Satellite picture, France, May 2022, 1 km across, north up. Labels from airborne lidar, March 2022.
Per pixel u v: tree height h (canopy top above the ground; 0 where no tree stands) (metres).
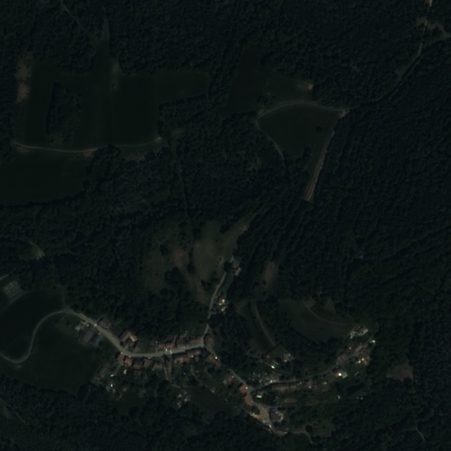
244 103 0
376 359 23
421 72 16
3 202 0
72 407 26
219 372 10
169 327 8
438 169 17
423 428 21
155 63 22
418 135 16
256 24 19
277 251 7
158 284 0
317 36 16
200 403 0
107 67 0
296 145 0
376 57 19
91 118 0
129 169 20
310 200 0
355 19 18
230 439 26
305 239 17
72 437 20
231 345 7
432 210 18
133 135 0
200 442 18
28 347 0
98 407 9
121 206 32
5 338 0
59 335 0
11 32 16
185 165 17
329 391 0
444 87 16
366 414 15
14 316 0
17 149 0
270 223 9
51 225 24
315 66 12
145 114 0
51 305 0
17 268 24
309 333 0
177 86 0
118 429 9
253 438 19
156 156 23
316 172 0
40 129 0
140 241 18
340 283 13
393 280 17
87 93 0
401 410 13
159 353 0
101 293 13
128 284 24
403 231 17
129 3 23
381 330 11
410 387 30
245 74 0
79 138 0
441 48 9
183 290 19
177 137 0
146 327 16
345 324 0
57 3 21
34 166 0
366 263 24
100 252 8
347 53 16
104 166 15
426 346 31
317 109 0
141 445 28
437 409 26
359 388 13
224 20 13
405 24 15
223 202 18
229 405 0
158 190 32
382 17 16
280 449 18
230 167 13
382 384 20
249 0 12
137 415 16
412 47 14
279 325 6
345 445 16
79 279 22
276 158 14
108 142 0
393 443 9
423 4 15
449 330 15
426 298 30
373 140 8
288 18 18
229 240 0
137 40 15
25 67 0
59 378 0
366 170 21
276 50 10
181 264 0
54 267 27
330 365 12
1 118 8
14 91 16
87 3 23
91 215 31
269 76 0
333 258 21
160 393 15
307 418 0
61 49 13
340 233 18
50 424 24
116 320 20
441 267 29
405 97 16
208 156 13
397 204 19
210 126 22
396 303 20
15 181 0
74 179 0
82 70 23
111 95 0
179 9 14
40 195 0
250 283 20
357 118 16
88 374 0
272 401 7
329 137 0
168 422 21
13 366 0
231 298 23
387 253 27
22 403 13
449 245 26
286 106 0
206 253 0
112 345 0
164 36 11
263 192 28
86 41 14
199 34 22
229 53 25
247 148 16
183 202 15
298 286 26
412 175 21
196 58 24
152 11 18
